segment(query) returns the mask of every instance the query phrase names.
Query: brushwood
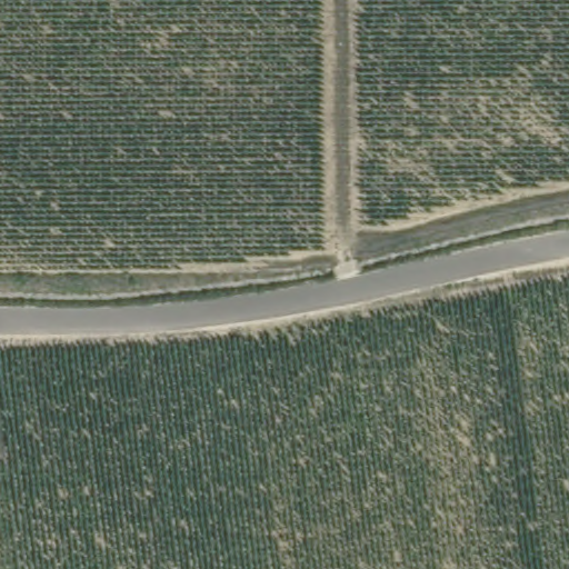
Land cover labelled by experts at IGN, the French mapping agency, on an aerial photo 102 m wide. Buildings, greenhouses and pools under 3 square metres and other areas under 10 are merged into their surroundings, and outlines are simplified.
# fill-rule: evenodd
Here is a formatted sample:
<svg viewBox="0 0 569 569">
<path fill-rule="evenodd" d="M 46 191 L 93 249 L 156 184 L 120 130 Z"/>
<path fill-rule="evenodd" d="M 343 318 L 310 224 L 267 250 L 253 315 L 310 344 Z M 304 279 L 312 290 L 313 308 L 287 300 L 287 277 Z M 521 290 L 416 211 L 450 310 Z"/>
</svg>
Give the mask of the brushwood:
<svg viewBox="0 0 569 569">
<path fill-rule="evenodd" d="M 309 282 L 329 282 L 336 276 L 329 271 L 320 276 L 280 282 L 111 300 L 0 298 L 0 305 L 82 309 L 216 300 L 227 296 L 300 287 Z"/>
<path fill-rule="evenodd" d="M 451 251 L 480 247 L 498 240 L 569 229 L 569 220 L 553 220 L 545 224 L 453 242 L 447 247 L 365 264 L 362 269 L 376 271 L 433 256 L 447 256 Z"/>
</svg>

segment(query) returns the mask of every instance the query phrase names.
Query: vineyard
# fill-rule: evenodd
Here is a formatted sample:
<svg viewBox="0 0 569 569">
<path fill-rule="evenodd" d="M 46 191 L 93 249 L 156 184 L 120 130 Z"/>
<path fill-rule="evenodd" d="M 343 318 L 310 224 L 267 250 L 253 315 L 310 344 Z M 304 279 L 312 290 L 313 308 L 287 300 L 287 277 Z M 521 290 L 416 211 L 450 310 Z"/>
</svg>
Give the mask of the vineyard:
<svg viewBox="0 0 569 569">
<path fill-rule="evenodd" d="M 569 191 L 569 0 L 0 0 L 0 298 L 111 300 L 280 282 L 320 276 L 329 271 L 336 276 L 340 280 L 349 280 L 358 276 L 360 269 L 353 256 L 353 247 L 358 242 L 360 231 L 402 231 L 482 207 L 505 204 L 531 196 Z"/>
<path fill-rule="evenodd" d="M 340 302 L 309 311 L 256 320 L 229 320 L 218 325 L 176 322 L 147 327 L 80 327 L 67 331 L 0 331 L 0 569 L 569 569 L 569 256 L 467 276 L 462 282 L 436 289 L 431 298 L 420 305 L 391 305 L 385 309 L 369 311 L 369 316 L 365 318 L 356 313 L 360 309 L 358 302 Z"/>
</svg>

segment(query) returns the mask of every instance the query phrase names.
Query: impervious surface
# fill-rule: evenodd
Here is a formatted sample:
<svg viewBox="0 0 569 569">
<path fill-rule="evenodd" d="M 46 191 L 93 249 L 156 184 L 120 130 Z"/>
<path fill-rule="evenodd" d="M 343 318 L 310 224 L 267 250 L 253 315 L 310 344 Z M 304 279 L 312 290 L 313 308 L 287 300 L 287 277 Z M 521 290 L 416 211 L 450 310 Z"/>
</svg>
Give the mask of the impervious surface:
<svg viewBox="0 0 569 569">
<path fill-rule="evenodd" d="M 256 320 L 309 311 L 340 302 L 358 302 L 360 309 L 356 313 L 365 318 L 369 316 L 369 311 L 385 309 L 391 305 L 420 305 L 431 298 L 436 289 L 462 282 L 467 276 L 569 256 L 569 229 L 498 240 L 480 247 L 451 251 L 447 256 L 433 256 L 376 271 L 362 269 L 360 269 L 358 276 L 349 280 L 340 280 L 336 276 L 329 282 L 309 282 L 300 287 L 227 296 L 216 300 L 82 309 L 0 305 L 0 331 L 67 331 L 80 327 L 147 327 L 176 322 L 218 325 L 229 320 Z"/>
</svg>

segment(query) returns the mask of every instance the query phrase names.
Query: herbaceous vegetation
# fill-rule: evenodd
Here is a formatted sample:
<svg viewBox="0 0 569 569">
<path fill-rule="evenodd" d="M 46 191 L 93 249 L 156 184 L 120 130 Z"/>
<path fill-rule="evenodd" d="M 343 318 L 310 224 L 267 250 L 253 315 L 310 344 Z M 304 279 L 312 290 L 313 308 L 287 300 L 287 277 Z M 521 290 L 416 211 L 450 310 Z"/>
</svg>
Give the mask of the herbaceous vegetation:
<svg viewBox="0 0 569 569">
<path fill-rule="evenodd" d="M 531 196 L 505 204 L 482 207 L 402 231 L 360 231 L 358 242 L 353 247 L 353 256 L 360 269 L 362 269 L 365 264 L 447 247 L 453 242 L 545 224 L 553 220 L 569 220 L 569 191 Z"/>
</svg>

